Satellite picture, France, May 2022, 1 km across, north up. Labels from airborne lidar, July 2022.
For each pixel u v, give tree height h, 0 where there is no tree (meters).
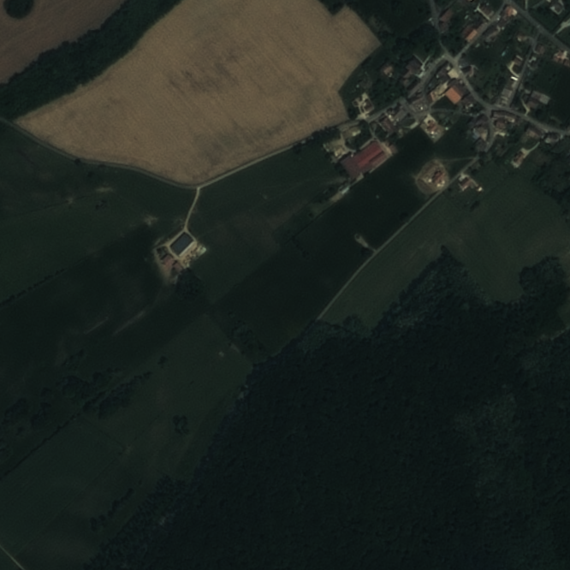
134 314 0
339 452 27
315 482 26
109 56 17
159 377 0
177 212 0
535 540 22
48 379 0
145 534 21
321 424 27
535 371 17
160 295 0
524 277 14
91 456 0
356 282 0
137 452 0
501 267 0
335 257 0
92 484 0
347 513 25
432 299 17
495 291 0
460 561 24
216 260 0
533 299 10
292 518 25
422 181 0
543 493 24
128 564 21
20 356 0
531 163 0
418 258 0
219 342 0
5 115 11
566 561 16
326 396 29
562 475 20
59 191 0
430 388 23
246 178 0
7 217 0
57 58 16
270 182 0
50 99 11
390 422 26
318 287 0
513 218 0
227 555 23
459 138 0
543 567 24
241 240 0
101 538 0
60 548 0
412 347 28
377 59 0
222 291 0
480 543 21
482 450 21
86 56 16
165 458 0
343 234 0
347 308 0
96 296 0
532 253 0
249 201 0
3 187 0
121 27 17
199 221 0
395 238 0
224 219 0
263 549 22
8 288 0
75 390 18
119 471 0
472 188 0
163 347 0
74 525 0
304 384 26
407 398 27
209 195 0
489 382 25
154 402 0
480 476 19
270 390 26
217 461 21
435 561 23
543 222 0
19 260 0
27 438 0
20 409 16
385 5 0
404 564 27
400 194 0
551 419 21
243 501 22
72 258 0
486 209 0
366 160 0
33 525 0
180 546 25
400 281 0
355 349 28
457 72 0
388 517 25
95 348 0
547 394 19
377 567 25
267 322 0
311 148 9
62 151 0
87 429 0
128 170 0
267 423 24
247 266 0
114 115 0
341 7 10
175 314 0
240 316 0
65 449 0
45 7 0
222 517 27
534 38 0
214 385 0
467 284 23
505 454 20
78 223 0
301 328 0
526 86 9
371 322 0
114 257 0
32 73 12
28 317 0
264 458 22
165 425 0
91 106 0
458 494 25
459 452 26
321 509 28
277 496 27
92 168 0
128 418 0
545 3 0
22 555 0
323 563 19
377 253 0
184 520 26
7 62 0
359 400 30
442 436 23
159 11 24
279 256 0
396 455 22
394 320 25
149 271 0
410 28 0
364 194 0
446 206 0
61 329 0
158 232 0
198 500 12
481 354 26
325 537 26
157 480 0
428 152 0
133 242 0
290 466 25
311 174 0
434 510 22
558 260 11
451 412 18
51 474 0
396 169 0
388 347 26
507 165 0
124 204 0
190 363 0
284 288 0
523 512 20
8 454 11
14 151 0
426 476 20
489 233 0
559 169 0
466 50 0
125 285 0
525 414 21
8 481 0
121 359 0
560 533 21
